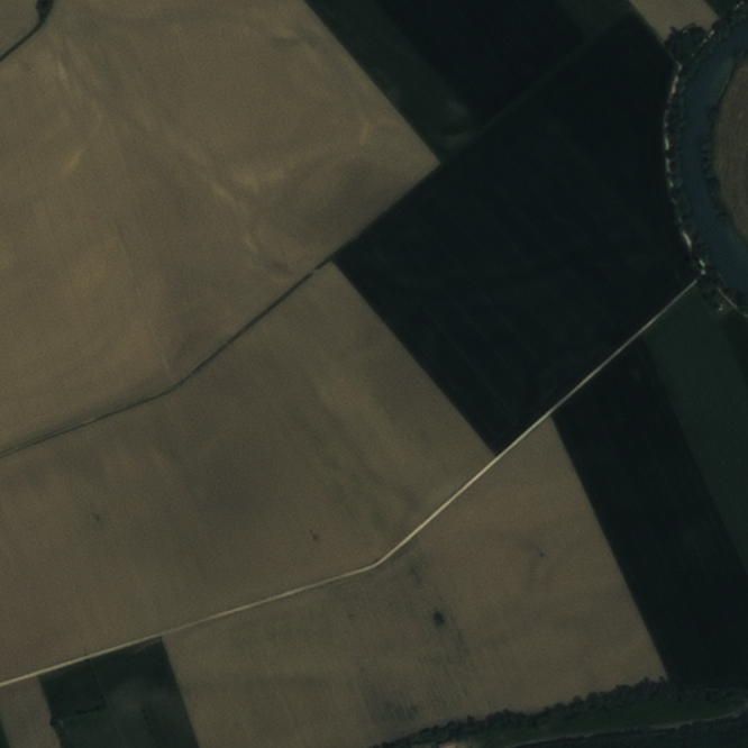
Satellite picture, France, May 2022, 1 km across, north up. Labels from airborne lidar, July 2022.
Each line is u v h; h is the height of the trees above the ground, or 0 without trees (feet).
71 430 0
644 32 0
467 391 0
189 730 0
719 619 0
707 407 0
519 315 0
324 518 0
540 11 0
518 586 0
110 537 0
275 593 0
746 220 0
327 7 0
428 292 0
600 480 0
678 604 0
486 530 0
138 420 0
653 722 0
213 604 0
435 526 0
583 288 0
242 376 0
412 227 0
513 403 0
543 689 0
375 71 0
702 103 0
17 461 0
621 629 0
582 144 0
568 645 0
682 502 0
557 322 0
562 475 0
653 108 0
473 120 0
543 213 0
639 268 0
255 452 0
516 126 0
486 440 0
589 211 0
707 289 68
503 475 0
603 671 0
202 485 0
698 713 0
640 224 0
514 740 0
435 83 0
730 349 0
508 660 0
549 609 0
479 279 0
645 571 0
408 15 0
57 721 45
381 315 0
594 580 0
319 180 0
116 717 0
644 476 0
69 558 0
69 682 0
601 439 0
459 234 0
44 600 0
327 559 0
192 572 0
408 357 0
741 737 48
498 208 0
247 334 0
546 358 0
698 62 56
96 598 0
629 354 0
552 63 0
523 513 0
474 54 0
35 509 0
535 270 0
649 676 0
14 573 0
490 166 0
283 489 0
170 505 0
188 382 0
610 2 0
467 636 0
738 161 0
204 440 0
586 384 0
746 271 0
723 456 0
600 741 45
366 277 0
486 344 0
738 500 0
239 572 0
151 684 0
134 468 0
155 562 0
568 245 0
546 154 0
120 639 0
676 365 0
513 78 0
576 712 56
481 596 0
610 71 0
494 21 0
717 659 0
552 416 0
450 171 0
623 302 0
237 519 0
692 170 0
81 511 0
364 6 0
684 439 0
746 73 0
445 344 0
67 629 0
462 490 0
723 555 0
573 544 0
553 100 0
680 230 50
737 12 49
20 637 0
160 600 0
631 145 0
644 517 0
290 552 0
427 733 27
